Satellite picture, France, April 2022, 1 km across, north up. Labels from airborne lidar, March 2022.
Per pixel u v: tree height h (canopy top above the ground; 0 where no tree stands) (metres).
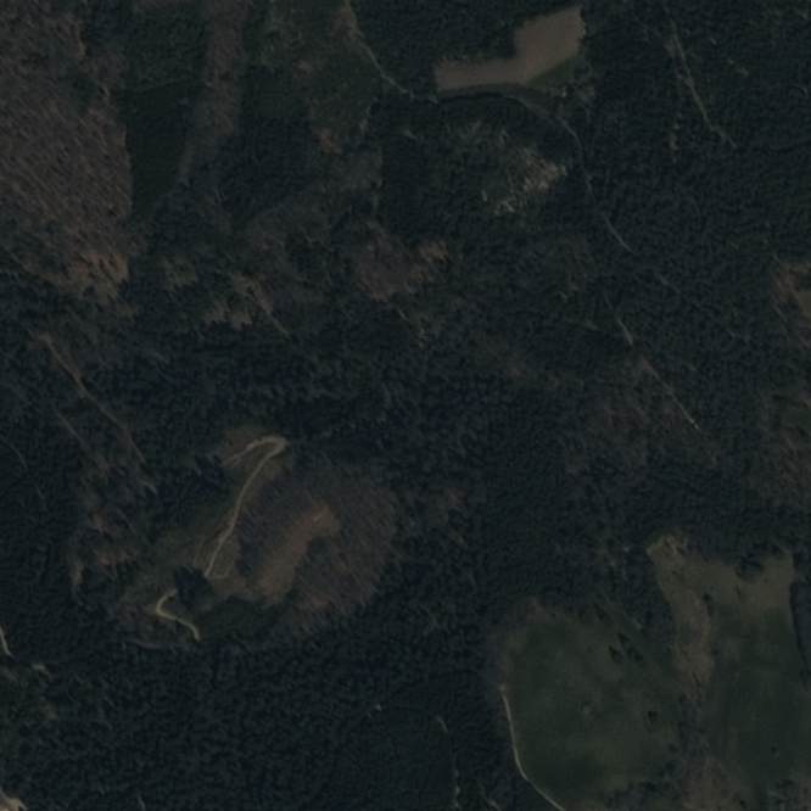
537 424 22
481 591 18
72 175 24
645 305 31
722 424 28
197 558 25
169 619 0
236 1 25
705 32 19
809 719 0
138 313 27
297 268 25
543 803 13
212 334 25
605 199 25
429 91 12
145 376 29
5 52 15
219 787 16
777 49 6
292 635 24
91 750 26
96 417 29
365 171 27
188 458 28
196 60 16
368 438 8
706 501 29
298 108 13
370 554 27
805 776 0
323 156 20
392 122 16
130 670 8
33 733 7
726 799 0
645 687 0
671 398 6
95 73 21
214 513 30
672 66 13
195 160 25
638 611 11
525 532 20
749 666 0
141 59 20
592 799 0
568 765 0
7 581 17
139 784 26
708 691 0
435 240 27
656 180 26
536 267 27
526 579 27
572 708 0
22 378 31
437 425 29
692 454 24
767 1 14
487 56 20
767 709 0
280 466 0
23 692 11
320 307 27
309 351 22
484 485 19
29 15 20
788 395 36
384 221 8
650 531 29
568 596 29
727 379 26
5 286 27
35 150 22
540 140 14
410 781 15
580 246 21
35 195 28
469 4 22
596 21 12
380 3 17
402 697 15
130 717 29
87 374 31
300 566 0
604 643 0
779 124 13
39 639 21
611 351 14
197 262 28
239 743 30
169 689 20
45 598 21
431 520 29
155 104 13
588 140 20
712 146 28
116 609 31
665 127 13
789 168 17
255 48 26
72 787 13
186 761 22
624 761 0
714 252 9
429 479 26
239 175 20
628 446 22
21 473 19
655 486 31
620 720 0
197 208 24
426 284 10
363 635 25
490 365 24
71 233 27
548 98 7
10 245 37
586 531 24
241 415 25
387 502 26
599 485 16
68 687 11
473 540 27
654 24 12
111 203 26
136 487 32
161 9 22
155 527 21
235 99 26
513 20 13
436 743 11
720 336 27
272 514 31
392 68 20
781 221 23
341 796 16
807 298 0
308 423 17
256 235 27
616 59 12
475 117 14
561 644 0
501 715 24
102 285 26
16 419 28
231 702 26
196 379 18
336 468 9
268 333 33
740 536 22
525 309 20
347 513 28
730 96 7
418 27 18
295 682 30
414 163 23
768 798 0
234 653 21
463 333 20
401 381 25
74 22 25
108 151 23
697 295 7
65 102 25
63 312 33
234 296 35
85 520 27
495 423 30
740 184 26
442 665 25
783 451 26
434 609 30
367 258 20
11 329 28
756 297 26
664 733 0
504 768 29
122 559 30
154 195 15
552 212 19
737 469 24
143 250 29
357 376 31
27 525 21
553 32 0
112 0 25
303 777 32
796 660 0
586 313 9
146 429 29
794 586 0
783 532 27
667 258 25
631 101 13
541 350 16
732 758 0
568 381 28
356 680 8
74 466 31
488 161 14
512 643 20
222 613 7
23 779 9
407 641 10
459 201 18
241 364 17
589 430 21
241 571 0
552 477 21
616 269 26
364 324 27
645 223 30
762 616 0
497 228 21
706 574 0
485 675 25
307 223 23
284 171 17
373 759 15
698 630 0
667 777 16
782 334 28
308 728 27
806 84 9
